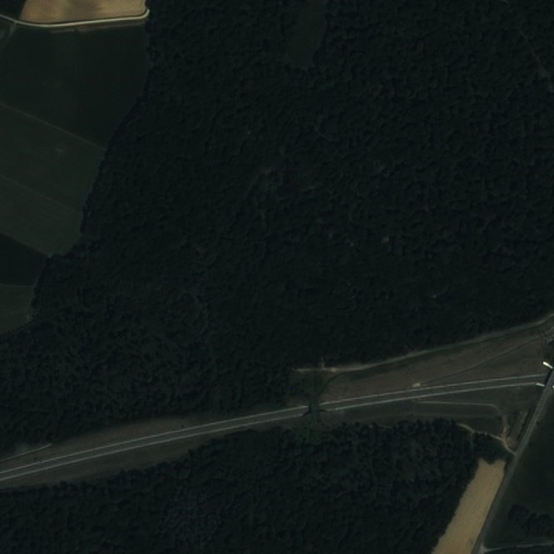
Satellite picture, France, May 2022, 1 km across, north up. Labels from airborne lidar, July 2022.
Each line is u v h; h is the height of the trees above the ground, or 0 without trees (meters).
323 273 30
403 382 0
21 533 18
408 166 29
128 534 18
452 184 29
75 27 0
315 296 28
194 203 26
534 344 0
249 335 21
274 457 11
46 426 20
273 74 24
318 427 0
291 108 22
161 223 24
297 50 0
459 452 25
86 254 23
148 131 25
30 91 0
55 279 26
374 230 25
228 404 11
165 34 27
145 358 9
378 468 21
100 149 0
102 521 29
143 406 7
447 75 24
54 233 0
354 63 19
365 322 26
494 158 23
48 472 0
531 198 31
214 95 14
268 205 26
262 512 24
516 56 27
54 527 25
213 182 27
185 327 21
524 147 27
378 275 21
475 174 29
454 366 0
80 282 27
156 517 25
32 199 0
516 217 31
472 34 28
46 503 23
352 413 0
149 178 25
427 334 24
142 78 0
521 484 0
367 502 27
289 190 28
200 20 23
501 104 30
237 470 22
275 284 28
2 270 0
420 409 0
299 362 25
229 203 17
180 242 25
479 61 29
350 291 26
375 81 31
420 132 29
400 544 21
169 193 28
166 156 29
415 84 27
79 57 0
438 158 29
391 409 0
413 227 26
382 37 30
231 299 20
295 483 20
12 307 0
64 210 0
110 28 0
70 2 0
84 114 0
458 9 26
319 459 28
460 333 24
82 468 0
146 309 19
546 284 27
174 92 29
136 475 21
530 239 16
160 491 27
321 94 24
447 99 31
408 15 28
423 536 24
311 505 22
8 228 0
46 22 0
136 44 0
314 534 25
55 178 0
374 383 0
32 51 0
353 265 25
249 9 21
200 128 26
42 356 23
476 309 32
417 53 27
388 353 25
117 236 27
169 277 23
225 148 28
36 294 10
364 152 24
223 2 19
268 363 24
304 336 29
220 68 28
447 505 23
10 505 23
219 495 26
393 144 30
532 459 0
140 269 22
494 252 11
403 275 26
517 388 0
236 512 24
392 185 30
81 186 0
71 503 27
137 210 20
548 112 29
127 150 24
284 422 0
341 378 0
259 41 6
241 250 23
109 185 22
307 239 24
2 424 19
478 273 31
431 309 28
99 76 0
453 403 0
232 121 25
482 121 29
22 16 0
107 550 25
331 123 29
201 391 12
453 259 27
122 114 0
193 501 27
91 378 21
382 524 30
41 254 0
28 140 0
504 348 0
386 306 27
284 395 11
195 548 27
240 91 19
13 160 0
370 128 30
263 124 14
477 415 0
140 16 0
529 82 29
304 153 22
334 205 25
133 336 19
